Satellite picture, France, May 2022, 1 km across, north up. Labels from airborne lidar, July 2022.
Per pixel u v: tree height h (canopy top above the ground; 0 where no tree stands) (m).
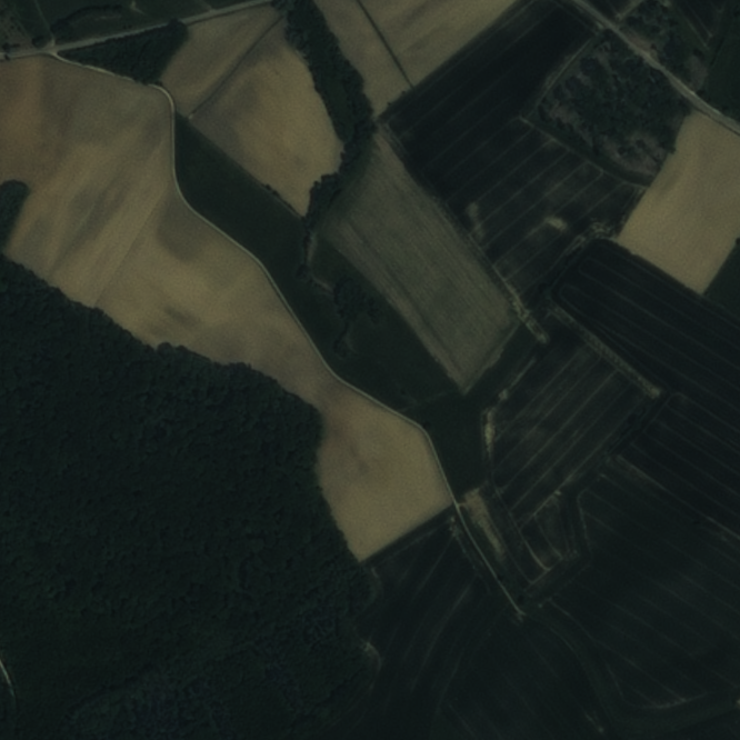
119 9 9
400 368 0
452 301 0
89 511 25
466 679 0
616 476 0
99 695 27
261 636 27
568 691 0
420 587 0
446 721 0
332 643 13
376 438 0
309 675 16
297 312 0
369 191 0
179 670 22
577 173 0
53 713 17
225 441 30
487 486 0
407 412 0
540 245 0
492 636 0
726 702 0
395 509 0
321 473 0
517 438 0
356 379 0
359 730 0
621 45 22
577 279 0
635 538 0
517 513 0
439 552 0
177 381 10
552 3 0
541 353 0
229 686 15
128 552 21
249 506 30
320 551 25
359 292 14
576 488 0
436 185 0
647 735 0
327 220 0
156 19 0
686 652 0
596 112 24
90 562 24
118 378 28
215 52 0
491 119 0
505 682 0
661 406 0
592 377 0
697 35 0
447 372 0
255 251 0
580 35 0
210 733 24
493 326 0
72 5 0
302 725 23
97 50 9
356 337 0
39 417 28
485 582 0
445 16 0
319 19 12
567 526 0
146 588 27
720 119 0
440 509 0
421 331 0
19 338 27
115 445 25
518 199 0
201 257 0
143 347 16
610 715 0
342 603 17
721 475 0
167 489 31
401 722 0
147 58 18
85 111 0
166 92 0
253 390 30
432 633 0
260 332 0
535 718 0
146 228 0
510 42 0
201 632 24
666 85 20
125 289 0
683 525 0
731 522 0
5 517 20
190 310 0
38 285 20
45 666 13
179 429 28
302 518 26
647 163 0
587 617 0
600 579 0
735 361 0
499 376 0
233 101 0
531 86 0
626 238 0
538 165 0
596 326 0
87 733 26
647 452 0
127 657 16
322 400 0
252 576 30
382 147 0
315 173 0
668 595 0
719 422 0
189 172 0
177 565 30
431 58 0
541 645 0
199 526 30
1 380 27
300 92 0
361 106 17
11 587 26
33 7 0
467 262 0
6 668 9
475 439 0
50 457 23
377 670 0
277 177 0
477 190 0
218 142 0
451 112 0
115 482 29
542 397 0
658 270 0
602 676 0
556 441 0
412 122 0
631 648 0
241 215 0
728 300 0
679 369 0
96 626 11
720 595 0
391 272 0
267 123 0
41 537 21
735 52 0
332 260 0
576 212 0
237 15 0
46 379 27
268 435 28
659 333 0
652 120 22
